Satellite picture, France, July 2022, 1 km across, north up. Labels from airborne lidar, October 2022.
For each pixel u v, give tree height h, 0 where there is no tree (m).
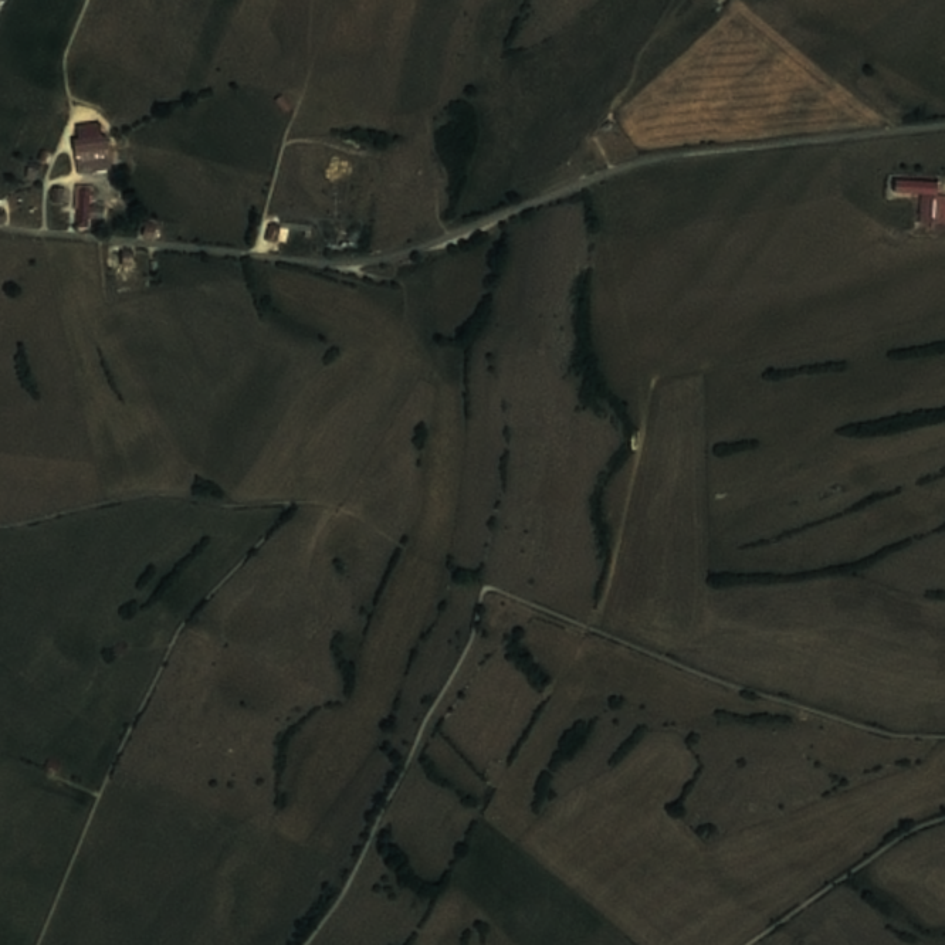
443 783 7
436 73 0
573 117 0
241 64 0
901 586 0
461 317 0
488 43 0
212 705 0
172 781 0
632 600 0
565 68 0
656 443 0
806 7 0
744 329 0
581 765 0
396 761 13
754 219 0
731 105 0
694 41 0
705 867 0
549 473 0
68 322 0
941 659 0
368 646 0
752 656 0
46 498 0
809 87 0
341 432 0
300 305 0
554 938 0
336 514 0
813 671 0
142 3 0
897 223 0
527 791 0
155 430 0
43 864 0
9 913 0
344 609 0
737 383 0
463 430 0
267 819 0
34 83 0
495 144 0
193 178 0
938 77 0
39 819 0
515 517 0
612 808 0
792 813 0
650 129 0
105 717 0
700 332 0
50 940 0
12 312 0
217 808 0
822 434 0
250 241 10
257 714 0
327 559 0
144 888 0
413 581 0
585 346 7
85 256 0
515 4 0
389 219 0
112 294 0
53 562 0
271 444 0
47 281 0
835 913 0
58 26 0
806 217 0
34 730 0
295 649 0
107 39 0
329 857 0
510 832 0
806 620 0
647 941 0
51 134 0
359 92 0
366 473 0
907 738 0
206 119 0
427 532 0
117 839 0
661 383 0
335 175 0
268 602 0
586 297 6
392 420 0
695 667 0
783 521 0
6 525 0
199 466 0
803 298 0
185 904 0
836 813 0
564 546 0
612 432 0
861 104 0
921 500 0
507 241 8
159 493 0
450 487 0
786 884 0
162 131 0
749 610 0
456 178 7
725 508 0
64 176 0
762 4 0
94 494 0
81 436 0
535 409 0
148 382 0
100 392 0
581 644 0
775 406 0
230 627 0
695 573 0
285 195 0
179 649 0
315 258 0
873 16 0
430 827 0
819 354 0
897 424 7
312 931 6
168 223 0
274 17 0
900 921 0
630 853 0
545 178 0
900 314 0
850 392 0
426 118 0
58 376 0
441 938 0
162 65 0
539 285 0
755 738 0
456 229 0
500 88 0
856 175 0
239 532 0
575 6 0
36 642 0
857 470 0
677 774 0
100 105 0
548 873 0
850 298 0
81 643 0
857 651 0
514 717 0
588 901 0
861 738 0
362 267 0
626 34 0
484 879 0
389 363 0
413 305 0
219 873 0
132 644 0
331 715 0
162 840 0
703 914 0
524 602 0
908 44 0
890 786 0
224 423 0
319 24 0
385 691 0
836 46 0
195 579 0
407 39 0
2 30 0
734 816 0
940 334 0
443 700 0
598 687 0
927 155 0
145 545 0
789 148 0
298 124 0
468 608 0
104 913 0
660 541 0
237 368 0
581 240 0
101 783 0
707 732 0
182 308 0
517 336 0
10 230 0
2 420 0
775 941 0
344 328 0
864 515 0
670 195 0
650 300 0
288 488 0
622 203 0
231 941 0
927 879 0
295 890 0
